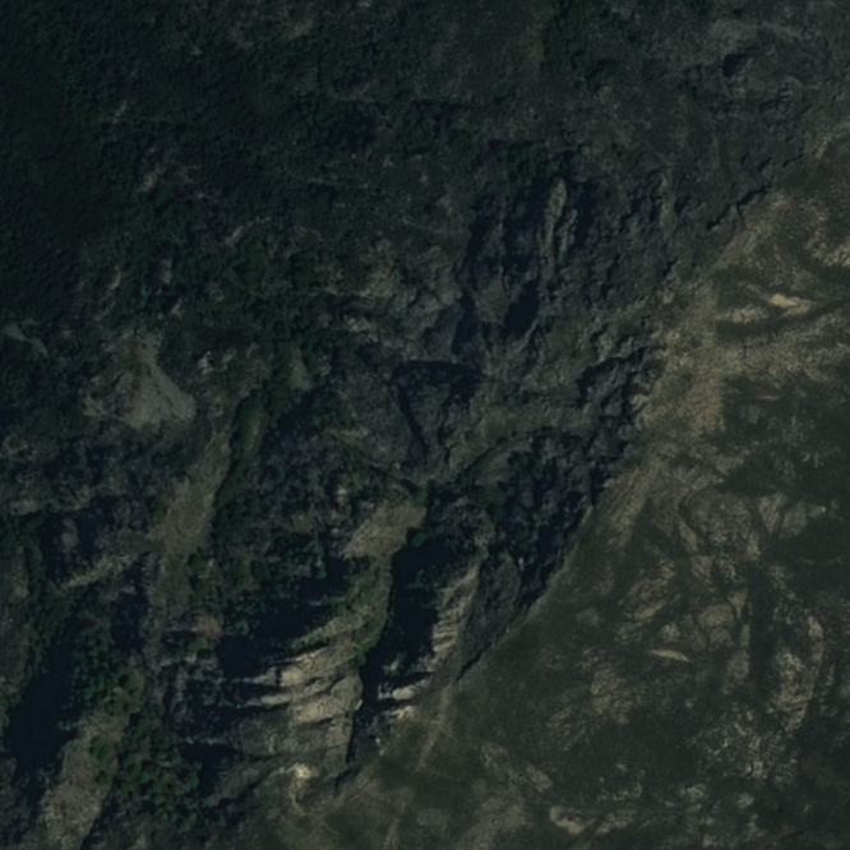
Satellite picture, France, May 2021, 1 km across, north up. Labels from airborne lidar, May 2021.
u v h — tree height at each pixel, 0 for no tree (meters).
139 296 7
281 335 22
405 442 0
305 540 7
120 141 8
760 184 0
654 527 0
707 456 0
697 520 0
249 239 12
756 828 0
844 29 0
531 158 20
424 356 0
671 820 0
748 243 0
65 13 17
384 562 0
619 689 0
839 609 0
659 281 0
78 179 11
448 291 0
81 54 8
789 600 0
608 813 0
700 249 0
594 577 0
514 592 0
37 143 11
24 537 13
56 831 0
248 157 13
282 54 7
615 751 0
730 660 0
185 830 9
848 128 0
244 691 0
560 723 0
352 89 10
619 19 11
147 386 0
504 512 11
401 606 13
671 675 0
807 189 0
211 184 6
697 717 0
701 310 0
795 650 0
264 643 8
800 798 0
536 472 19
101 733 0
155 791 18
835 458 0
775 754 0
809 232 0
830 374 0
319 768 0
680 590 0
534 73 0
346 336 7
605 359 0
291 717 0
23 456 12
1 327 10
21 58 12
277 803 0
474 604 0
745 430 0
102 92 13
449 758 0
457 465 0
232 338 11
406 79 7
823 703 0
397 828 0
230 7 7
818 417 0
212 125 8
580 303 0
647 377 0
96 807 0
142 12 22
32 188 9
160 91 7
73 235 11
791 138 0
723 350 0
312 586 0
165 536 0
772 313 0
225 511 19
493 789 0
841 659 0
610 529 0
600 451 0
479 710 0
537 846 0
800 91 0
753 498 0
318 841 0
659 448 0
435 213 12
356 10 15
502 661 0
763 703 0
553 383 0
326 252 7
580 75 6
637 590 0
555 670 0
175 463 7
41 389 6
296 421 10
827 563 0
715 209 0
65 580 10
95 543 14
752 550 0
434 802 0
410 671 14
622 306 0
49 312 11
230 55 6
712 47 0
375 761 0
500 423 0
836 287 0
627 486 0
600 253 0
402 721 0
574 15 23
